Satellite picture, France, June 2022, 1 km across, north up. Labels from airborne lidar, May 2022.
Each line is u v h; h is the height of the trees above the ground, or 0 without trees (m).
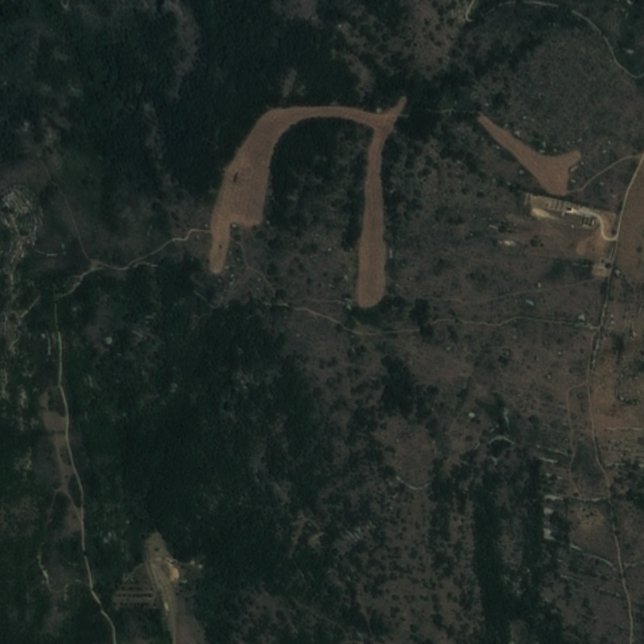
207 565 6
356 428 6
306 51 7
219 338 9
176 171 7
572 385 0
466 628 6
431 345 0
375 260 0
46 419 0
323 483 7
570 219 0
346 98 8
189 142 11
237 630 6
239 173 0
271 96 8
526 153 0
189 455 8
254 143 0
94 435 8
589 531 0
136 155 9
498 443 11
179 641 0
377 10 6
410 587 0
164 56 7
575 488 0
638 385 0
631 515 0
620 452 0
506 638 7
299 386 7
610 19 0
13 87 7
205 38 7
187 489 7
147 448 10
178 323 6
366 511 6
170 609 0
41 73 7
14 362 6
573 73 0
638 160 0
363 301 0
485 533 10
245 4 10
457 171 0
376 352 0
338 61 6
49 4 6
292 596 6
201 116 8
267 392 9
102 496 8
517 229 0
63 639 7
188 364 6
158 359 9
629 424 0
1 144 11
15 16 8
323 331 0
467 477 6
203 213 0
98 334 0
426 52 0
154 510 9
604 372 0
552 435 0
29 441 7
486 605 9
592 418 0
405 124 8
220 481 6
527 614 11
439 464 5
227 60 10
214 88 6
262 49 7
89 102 9
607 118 0
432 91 9
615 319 0
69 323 8
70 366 8
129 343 8
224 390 6
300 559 7
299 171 6
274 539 8
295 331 0
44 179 0
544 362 0
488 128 0
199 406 11
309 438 8
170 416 9
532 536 7
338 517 6
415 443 0
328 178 9
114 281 7
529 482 6
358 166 9
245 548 8
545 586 6
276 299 7
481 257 0
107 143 6
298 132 7
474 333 0
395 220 7
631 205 0
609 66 0
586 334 0
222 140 7
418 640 6
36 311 8
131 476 9
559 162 0
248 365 8
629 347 0
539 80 0
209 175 7
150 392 7
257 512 9
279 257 0
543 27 7
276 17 6
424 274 0
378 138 0
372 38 6
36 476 7
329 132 10
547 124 0
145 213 0
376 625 8
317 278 0
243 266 0
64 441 0
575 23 7
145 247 0
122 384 6
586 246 0
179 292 8
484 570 9
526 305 0
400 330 0
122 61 12
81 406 8
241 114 9
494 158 0
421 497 0
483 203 0
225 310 7
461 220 5
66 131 9
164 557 0
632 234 0
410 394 7
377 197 0
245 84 7
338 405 7
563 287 0
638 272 0
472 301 0
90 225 0
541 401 0
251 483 7
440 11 6
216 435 7
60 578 0
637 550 0
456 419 0
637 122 0
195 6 7
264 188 0
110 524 7
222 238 0
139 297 9
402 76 9
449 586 0
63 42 7
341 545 0
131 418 8
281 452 7
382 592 6
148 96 7
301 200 7
